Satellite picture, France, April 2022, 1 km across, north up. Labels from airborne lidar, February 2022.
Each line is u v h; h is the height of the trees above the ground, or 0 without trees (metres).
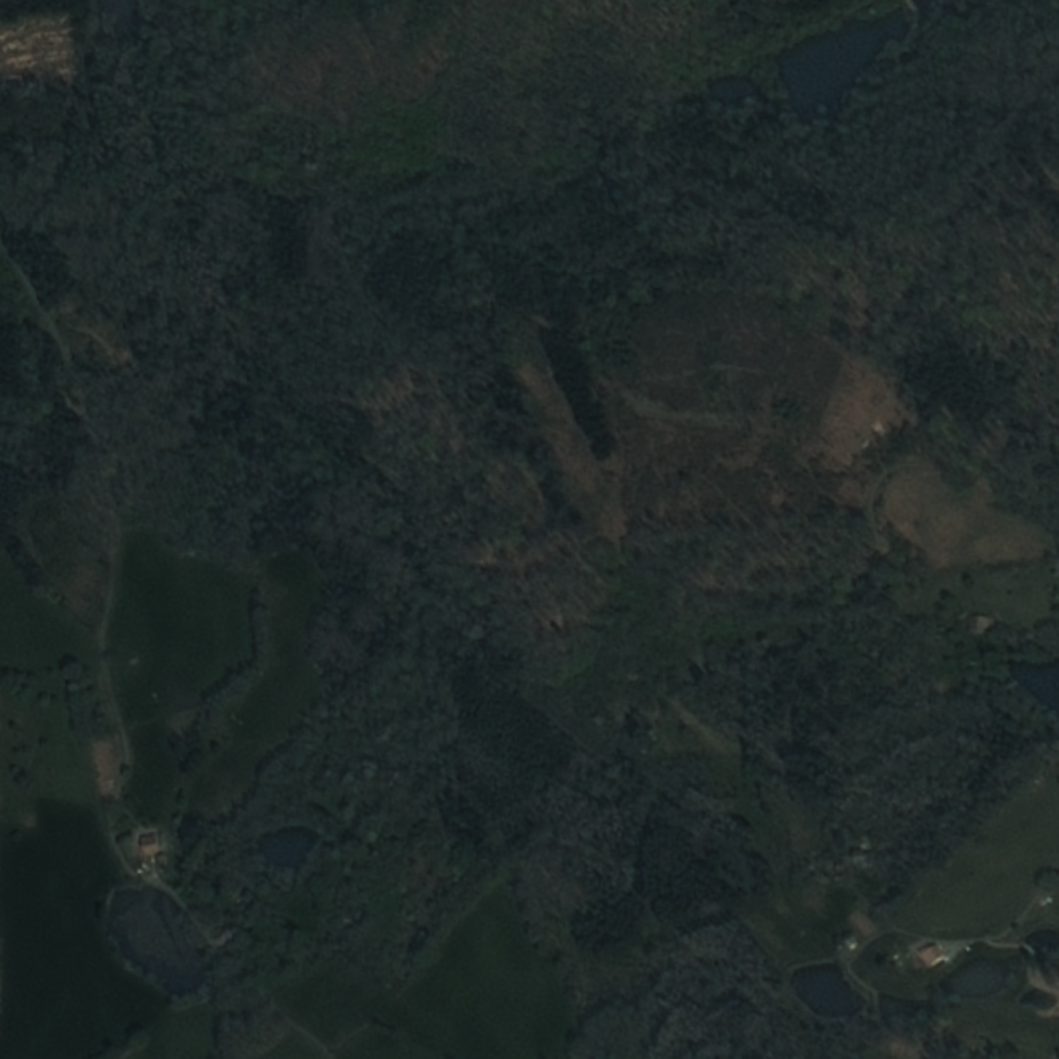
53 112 10
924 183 23
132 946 0
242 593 0
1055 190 25
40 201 28
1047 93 30
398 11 31
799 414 9
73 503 25
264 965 9
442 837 8
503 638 25
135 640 0
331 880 9
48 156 33
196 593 0
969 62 31
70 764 0
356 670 30
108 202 19
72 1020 0
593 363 20
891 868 20
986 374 21
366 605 29
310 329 21
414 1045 0
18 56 0
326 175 21
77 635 0
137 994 0
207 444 35
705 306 0
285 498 27
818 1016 0
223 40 24
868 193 27
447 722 25
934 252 28
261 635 20
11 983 0
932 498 0
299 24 29
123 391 26
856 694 10
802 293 29
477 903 8
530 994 0
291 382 22
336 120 27
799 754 9
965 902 0
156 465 25
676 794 22
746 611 25
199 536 30
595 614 32
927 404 28
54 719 0
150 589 0
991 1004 0
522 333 12
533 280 15
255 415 28
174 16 26
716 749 0
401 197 22
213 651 0
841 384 0
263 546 24
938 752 18
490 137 25
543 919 26
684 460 8
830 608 25
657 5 28
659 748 13
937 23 23
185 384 17
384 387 30
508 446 11
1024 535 0
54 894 0
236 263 26
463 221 11
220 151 26
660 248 10
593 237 9
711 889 27
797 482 6
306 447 10
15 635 0
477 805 18
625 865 29
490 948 0
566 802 21
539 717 19
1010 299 24
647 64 29
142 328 28
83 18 8
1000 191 24
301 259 24
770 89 7
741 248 27
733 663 8
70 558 0
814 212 35
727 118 19
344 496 30
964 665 15
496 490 30
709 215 26
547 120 30
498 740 20
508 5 28
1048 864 0
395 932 7
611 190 15
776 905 0
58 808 0
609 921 24
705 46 21
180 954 0
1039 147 25
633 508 6
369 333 27
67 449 19
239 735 0
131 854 0
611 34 24
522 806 18
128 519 27
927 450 10
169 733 0
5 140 13
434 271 21
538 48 25
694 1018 32
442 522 21
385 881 11
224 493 28
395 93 21
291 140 25
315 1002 0
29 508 28
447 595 24
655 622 11
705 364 0
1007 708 27
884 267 27
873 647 11
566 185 11
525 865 30
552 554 33
